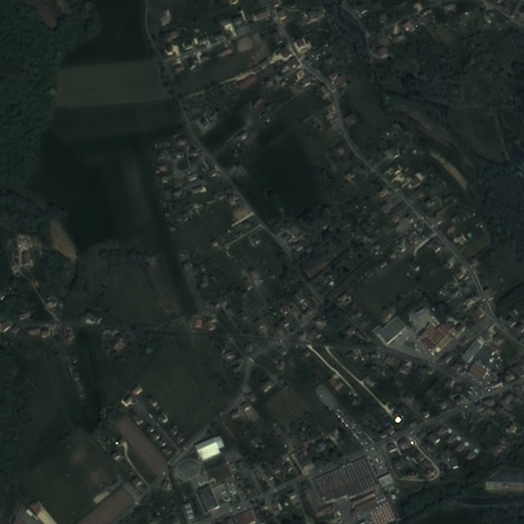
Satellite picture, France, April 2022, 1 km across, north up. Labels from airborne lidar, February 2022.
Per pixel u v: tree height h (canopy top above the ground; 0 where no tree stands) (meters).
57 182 0
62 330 0
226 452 0
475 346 0
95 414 0
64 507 0
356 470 0
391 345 0
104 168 0
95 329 7
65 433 0
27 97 21
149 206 0
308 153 0
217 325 0
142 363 0
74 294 17
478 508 0
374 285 0
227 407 0
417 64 0
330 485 0
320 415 0
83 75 0
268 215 0
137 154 0
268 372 0
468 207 0
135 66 0
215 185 0
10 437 21
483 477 8
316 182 0
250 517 0
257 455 7
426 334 0
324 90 0
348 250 5
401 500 0
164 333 6
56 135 0
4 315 15
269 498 0
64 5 0
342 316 20
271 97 0
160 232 0
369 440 0
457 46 0
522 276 0
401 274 0
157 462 0
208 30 0
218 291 5
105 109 0
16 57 16
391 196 0
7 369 24
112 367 0
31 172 6
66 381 0
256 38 0
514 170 17
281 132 0
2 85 22
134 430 0
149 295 0
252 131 0
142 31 0
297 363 0
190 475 0
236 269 0
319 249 18
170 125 0
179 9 0
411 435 0
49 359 0
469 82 0
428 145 0
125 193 0
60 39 23
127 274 0
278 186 0
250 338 0
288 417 0
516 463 10
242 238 0
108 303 0
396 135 0
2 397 21
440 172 0
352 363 0
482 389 0
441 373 0
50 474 0
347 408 0
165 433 0
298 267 19
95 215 0
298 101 0
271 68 16
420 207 0
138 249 0
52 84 18
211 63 0
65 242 0
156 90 0
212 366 0
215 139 0
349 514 0
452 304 0
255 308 0
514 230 23
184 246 0
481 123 0
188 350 0
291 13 0
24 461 10
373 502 0
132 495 0
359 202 14
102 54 0
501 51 0
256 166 0
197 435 0
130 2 0
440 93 7
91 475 0
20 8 23
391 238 0
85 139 0
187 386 0
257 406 0
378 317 0
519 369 0
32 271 0
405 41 0
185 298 0
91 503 0
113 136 0
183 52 0
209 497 0
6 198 20
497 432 6
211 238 0
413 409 0
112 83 0
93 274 0
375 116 0
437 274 0
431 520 0
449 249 0
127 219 0
